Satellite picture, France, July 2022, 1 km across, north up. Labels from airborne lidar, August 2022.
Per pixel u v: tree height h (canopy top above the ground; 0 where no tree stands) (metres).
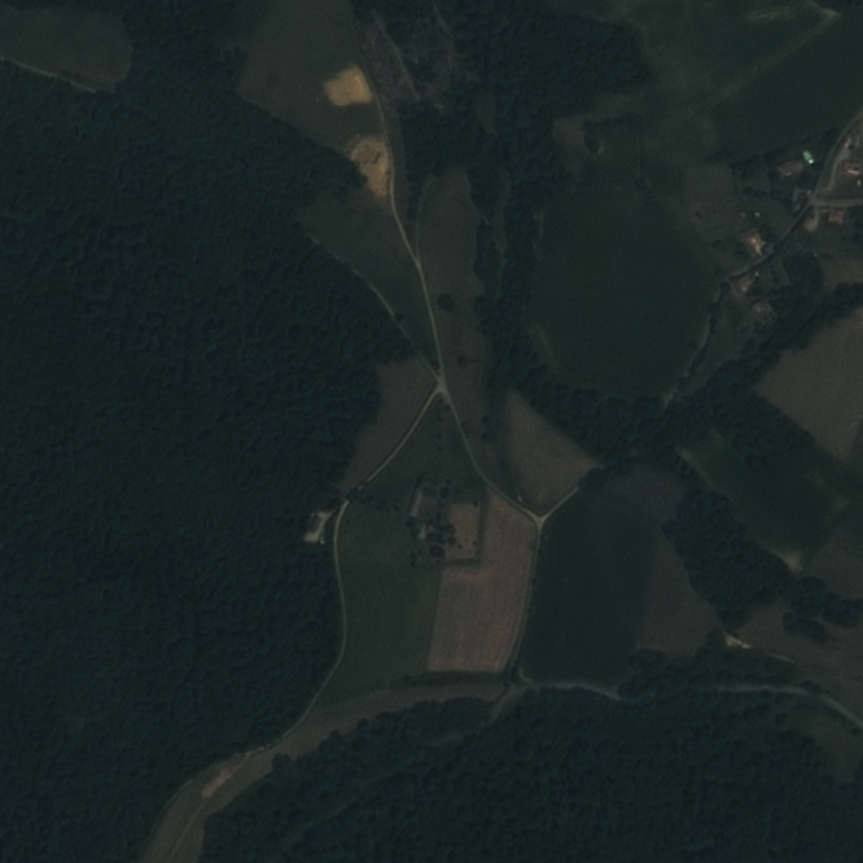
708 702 22
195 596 26
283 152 25
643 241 0
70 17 0
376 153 0
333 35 0
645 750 29
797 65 0
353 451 7
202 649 27
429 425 0
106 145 28
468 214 0
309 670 10
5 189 15
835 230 0
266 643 25
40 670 25
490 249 22
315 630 20
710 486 0
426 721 26
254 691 15
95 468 22
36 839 22
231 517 21
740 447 16
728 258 0
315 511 13
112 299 32
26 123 25
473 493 0
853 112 0
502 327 12
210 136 21
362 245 0
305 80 0
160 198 21
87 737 24
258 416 10
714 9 0
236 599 25
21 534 31
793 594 6
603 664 0
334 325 20
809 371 0
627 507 0
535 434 0
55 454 22
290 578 17
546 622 0
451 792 27
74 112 23
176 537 22
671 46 0
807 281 21
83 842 25
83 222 17
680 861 31
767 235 7
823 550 0
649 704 21
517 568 0
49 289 30
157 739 21
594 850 24
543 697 17
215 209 20
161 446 22
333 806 26
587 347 0
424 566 0
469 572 0
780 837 25
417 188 10
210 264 27
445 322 0
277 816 16
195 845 0
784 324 17
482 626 0
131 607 30
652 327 0
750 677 10
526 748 31
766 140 0
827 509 0
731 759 27
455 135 28
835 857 28
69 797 31
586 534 0
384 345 17
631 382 0
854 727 5
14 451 28
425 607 0
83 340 31
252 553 24
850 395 0
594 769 29
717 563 24
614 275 0
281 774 18
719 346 0
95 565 30
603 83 21
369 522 0
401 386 0
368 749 29
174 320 35
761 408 21
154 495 23
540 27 21
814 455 0
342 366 12
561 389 17
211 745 21
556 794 23
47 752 25
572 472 0
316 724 0
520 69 27
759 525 0
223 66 15
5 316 33
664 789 29
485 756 25
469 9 23
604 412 24
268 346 12
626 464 18
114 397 25
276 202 21
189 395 37
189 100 23
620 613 0
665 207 0
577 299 0
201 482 21
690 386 9
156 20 22
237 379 29
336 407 10
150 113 23
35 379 22
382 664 0
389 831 6
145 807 15
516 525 0
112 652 24
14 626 29
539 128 29
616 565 0
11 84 26
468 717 22
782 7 0
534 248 12
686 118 0
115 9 15
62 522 25
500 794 22
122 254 34
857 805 24
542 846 29
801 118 0
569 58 23
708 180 0
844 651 0
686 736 7
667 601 0
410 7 26
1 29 0
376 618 0
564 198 0
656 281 0
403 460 0
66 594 25
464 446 0
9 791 26
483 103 0
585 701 24
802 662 0
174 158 28
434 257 0
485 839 10
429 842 28
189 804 0
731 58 0
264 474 27
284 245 25
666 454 25
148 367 31
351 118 0
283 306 23
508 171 10
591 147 18
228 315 36
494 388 9
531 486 0
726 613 21
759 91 0
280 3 0
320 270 21
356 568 0
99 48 0
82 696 22
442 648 0
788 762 25
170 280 33
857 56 0
